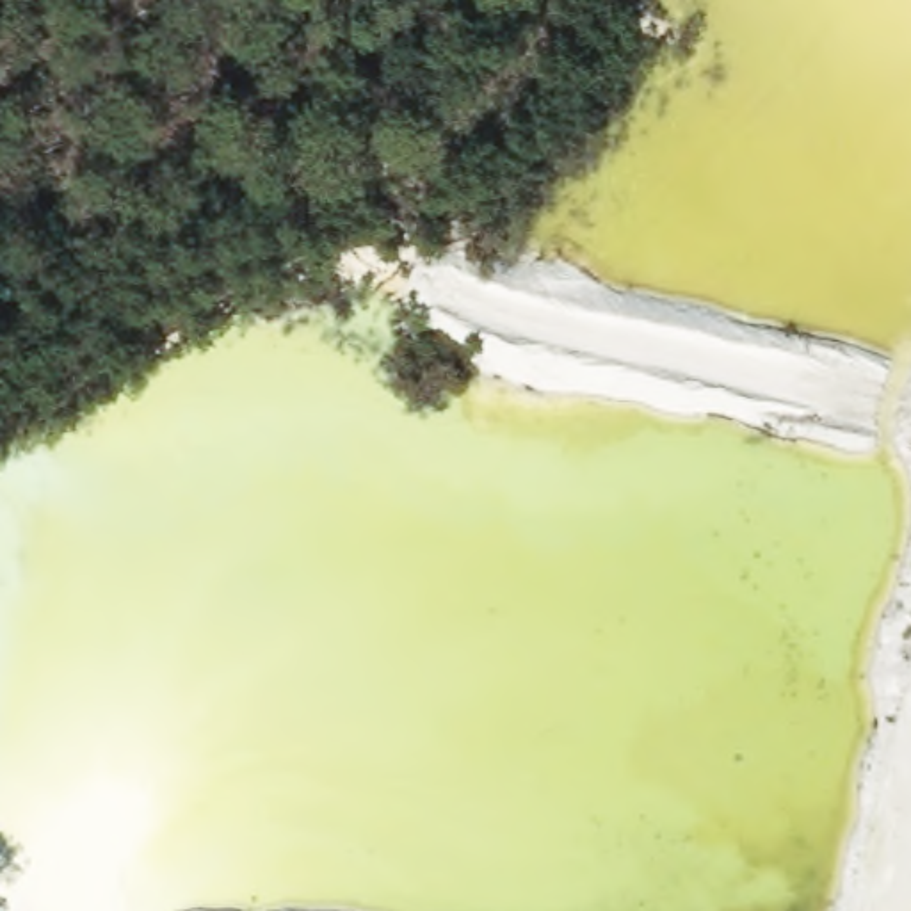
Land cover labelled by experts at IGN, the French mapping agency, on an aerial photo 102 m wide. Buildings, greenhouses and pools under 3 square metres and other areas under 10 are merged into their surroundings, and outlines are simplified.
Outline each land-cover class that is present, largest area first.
<instances>
[{"label":"water","instance_id":"1","mask_svg":"<svg viewBox=\"0 0 911 911\"><path fill-rule=\"evenodd\" d=\"M662 18L641 14V32L662 39V53L651 75L633 93L630 110L616 114L605 132H594L587 139V157L598 167L576 181L555 185V203L537 214L527 249L537 253L541 263L562 260L576 267L584 278L601 281L609 288L655 292L719 306L726 320L740 324L751 335L776 331L886 363V384L875 409V448L840 452L815 441L776 438L762 427H747L730 416H673L637 402H616L598 395H537L527 388H512L498 377H484L477 370L466 391L452 395L445 409H413L399 391H391L384 356L395 345L391 313L402 299L377 288L374 274H363L359 281L345 278V292L352 302L349 317H335L331 306L285 310L274 320L231 317V324L217 331L206 349H189L178 359H164L146 377L142 391H121L114 402L96 406L68 434H60L57 445L96 480V488L78 491L64 477V484L43 505L32 509V520L21 530V598L11 616L14 641L7 669L21 683L39 687V680L57 662L78 655L125 651V644L149 630L164 662L178 669L171 694L185 712V722L199 730L206 744L199 765L210 779L196 786V801L189 808H178L167 818L181 836H192L199 843L192 879L206 890V904L185 911H829L840 847L854 829L858 815L861 762L875 733V633L886 616V601L897 587V573L911 537V480L893 448V423L900 395L911 377V0H662Z\"/></svg>","mask_w":911,"mask_h":911},{"label":"coniferous trees","instance_id":"2","mask_svg":"<svg viewBox=\"0 0 911 911\"><path fill-rule=\"evenodd\" d=\"M641 14L662 18V0H0V466L14 452L57 445L60 434H68L96 406L114 402L121 391H142L146 377L164 359H178L189 349H206L217 331L231 324V317L274 320L285 310L331 306L335 317H349L352 302L345 292V278L338 274V260L342 253L359 246L377 249L381 260H391L399 249H420V256L427 260H441L448 246H463L466 260L477 267L480 278H491L495 267H516L527 249L537 214L555 203V185L576 181L598 167L587 157V139L594 132H605L616 114L630 110L633 93L651 75L662 53V39L641 32ZM395 345L384 356L391 391H399L413 409H445L452 395L466 391L477 370V335L456 342L445 331L431 327L427 306L416 299V292L402 299L391 313Z\"/></svg>","mask_w":911,"mask_h":911},{"label":"pervious surface","instance_id":"3","mask_svg":"<svg viewBox=\"0 0 911 911\"><path fill-rule=\"evenodd\" d=\"M338 274L345 278L359 281L363 274H374L377 288L402 299L416 292V299L427 306L431 327L445 331L456 342L477 335V370L484 377H498L512 388H527L537 395H598L616 402H637L673 416H730L747 427H762L776 438L815 441L840 452L875 448V409L886 384V363L776 331L751 335L740 324L726 320L719 306L655 292L609 288L601 281L584 278L576 267L562 260L541 263L537 253L527 249L516 267H495L491 278H480L477 267L466 260L463 246H448L441 260H427L420 256V249H399L391 260H381L377 249L359 246L342 253L338 260ZM893 448L911 480V377L900 395L893 423ZM64 477L78 491L96 488V480L57 445L14 452L0 466V911H185L206 904V890L192 879L199 843L192 836H181L167 818L178 808H189L196 801V786L210 779L199 765L206 744L199 730L185 722V712L171 694L178 669L164 662L149 630L125 644V651L78 655L57 662L39 680V687L21 683L7 669L14 641L11 616L21 598V530L32 520V509L43 505L64 484ZM875 733L861 762L858 815L854 829L840 847L829 911H911V537L897 573V587L886 601V616L875 633Z\"/></svg>","mask_w":911,"mask_h":911}]
</instances>
